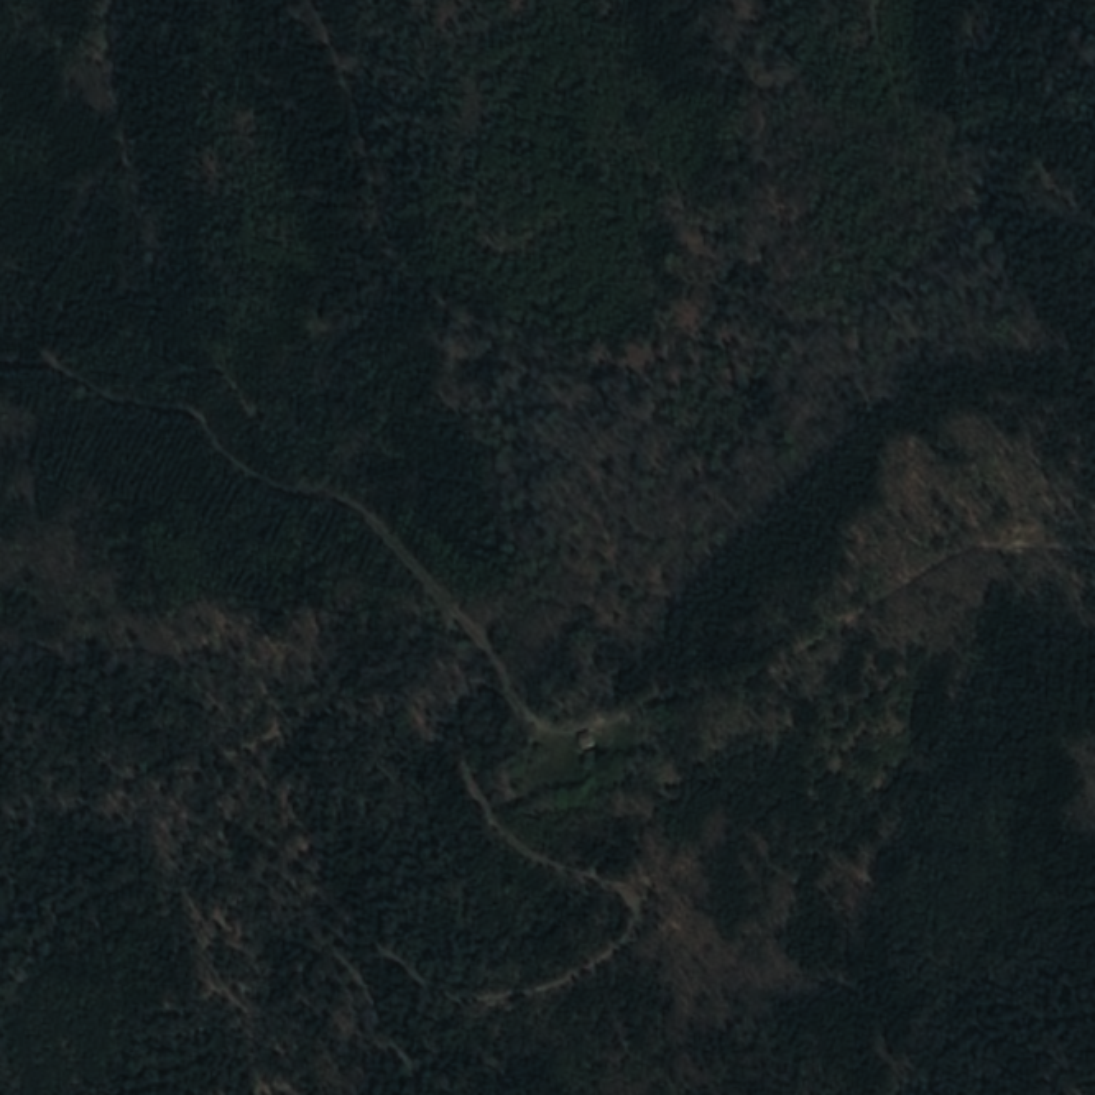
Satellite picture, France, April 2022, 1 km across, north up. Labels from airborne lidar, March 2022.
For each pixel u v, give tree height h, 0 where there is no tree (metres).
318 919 32
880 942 19
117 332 18
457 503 17
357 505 9
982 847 19
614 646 20
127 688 24
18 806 25
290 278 9
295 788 30
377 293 21
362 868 30
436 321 20
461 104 12
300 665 20
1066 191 17
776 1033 19
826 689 14
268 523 17
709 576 20
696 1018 13
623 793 11
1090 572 22
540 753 15
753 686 17
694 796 13
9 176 12
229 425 19
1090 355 19
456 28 7
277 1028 24
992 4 27
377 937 16
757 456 17
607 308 16
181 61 14
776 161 15
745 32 19
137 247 15
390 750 27
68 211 22
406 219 11
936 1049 21
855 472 28
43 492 17
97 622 14
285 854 8
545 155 14
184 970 14
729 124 11
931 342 34
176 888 12
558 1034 8
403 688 27
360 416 15
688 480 27
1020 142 16
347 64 27
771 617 18
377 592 19
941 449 24
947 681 21
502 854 26
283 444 18
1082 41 22
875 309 27
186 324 14
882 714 7
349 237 17
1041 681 17
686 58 13
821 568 23
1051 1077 21
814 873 18
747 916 16
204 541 19
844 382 21
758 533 21
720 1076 11
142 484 15
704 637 18
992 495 22
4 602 20
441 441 16
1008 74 18
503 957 9
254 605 17
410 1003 25
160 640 20
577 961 9
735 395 30
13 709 13
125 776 24
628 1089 12
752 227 16
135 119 17
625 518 17
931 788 19
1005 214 28
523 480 22
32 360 18
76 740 24
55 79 20
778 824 14
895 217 10
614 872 18
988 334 23
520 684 17
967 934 15
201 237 8
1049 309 27
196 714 24
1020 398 26
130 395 20
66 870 26
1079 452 21
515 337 30
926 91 15
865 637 18
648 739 22
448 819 6
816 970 27
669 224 13
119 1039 7
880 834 18
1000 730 18
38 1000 10
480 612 17
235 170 8
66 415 17
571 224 10
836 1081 20
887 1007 24
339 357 16
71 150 12
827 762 11
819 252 12
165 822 26
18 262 21
